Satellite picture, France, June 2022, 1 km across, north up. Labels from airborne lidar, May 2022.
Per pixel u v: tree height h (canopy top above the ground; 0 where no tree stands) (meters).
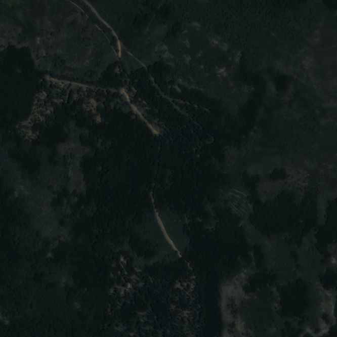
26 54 17
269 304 0
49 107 14
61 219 11
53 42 0
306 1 9
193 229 14
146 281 21
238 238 21
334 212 14
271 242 0
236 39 7
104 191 14
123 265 10
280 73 6
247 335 7
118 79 16
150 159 17
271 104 0
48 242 11
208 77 0
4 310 6
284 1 12
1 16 0
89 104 20
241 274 0
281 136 0
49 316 9
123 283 19
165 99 15
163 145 14
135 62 0
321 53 0
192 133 18
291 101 0
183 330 21
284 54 0
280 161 0
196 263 13
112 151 20
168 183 10
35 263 7
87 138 15
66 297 6
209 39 0
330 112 0
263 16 6
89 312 7
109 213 11
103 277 25
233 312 6
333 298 0
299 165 0
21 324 20
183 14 6
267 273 9
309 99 0
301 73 0
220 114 10
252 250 7
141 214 9
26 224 6
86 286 11
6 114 15
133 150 13
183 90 13
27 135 15
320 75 0
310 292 0
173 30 10
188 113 21
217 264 16
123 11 0
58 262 8
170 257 11
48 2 0
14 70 15
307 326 0
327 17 0
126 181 17
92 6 0
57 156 7
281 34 0
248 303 0
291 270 8
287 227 14
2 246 26
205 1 0
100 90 13
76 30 0
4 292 19
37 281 14
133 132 14
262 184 0
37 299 8
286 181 7
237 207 9
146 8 0
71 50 0
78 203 10
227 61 0
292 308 17
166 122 18
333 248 0
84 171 13
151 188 16
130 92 14
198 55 0
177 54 0
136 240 13
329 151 0
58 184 0
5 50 12
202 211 14
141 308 16
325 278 8
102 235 11
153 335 21
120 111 6
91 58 0
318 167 0
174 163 15
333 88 0
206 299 19
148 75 14
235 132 10
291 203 11
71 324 9
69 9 0
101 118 12
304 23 0
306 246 0
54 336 18
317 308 0
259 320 0
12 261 21
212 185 16
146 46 0
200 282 18
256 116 9
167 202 11
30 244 6
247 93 0
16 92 19
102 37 0
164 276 20
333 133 0
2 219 19
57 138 21
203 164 14
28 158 14
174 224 0
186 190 14
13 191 7
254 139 0
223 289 0
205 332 18
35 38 0
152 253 10
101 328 21
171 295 16
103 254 20
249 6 7
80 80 16
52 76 19
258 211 15
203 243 14
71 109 17
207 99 15
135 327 7
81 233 15
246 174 8
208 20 7
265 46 0
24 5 0
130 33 0
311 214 14
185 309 17
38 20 0
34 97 16
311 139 0
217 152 16
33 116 12
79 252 14
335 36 0
